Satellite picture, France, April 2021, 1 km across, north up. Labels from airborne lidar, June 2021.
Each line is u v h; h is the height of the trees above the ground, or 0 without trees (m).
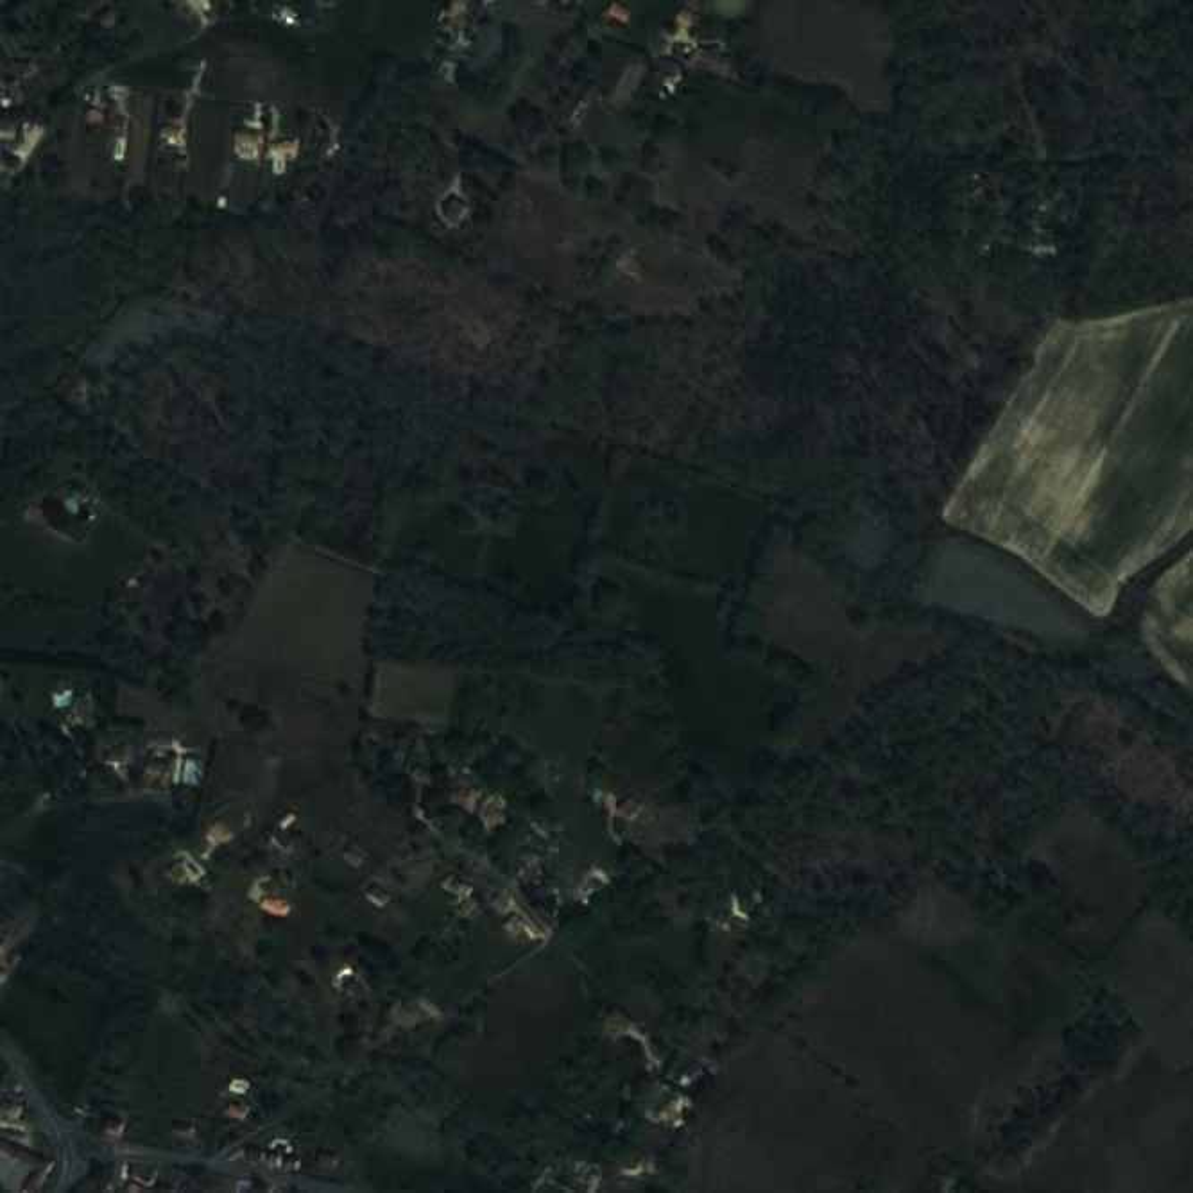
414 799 15
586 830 0
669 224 14
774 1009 23
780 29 0
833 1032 0
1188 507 0
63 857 9
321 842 0
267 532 15
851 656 0
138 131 0
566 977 0
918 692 18
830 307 17
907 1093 0
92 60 18
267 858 11
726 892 11
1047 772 22
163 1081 0
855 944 15
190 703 9
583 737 0
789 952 18
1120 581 0
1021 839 14
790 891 14
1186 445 0
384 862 0
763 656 17
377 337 9
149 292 13
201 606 14
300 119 9
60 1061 0
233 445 10
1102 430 0
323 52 0
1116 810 20
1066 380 0
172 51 0
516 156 14
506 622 18
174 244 15
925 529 9
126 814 0
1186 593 0
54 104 8
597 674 16
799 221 0
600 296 0
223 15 7
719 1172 0
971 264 19
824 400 11
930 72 7
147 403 16
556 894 0
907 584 15
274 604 0
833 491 15
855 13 0
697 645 0
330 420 20
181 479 15
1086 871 0
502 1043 0
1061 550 0
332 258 11
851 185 21
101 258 13
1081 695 14
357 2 0
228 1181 0
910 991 0
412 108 17
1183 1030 0
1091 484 0
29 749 11
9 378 19
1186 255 16
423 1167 0
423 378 20
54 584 0
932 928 0
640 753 0
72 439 16
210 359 21
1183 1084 0
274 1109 21
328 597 0
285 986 16
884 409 18
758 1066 0
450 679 0
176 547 15
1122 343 0
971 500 0
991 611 0
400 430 10
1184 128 14
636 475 0
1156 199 12
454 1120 7
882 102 0
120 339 0
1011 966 0
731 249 13
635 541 0
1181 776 10
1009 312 18
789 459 14
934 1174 10
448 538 0
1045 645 6
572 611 6
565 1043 0
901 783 26
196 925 16
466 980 0
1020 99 11
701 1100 17
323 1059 19
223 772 0
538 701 0
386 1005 6
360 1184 0
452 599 17
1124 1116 0
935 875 9
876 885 11
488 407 21
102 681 11
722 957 0
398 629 9
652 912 21
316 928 0
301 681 0
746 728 0
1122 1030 16
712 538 0
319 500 17
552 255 0
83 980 6
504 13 0
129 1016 8
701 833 0
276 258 15
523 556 0
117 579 0
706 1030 13
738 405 20
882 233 14
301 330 20
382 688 0
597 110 0
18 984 0
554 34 0
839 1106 0
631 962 0
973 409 17
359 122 15
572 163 19
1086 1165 0
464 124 0
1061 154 14
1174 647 0
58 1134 0
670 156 13
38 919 25
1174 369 0
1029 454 0
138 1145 0
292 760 0
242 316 19
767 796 19
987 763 16
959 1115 0
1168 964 0
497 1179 15
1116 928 0
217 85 0
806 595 0
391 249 18
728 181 15
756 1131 0
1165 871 18
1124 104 12
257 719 16
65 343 14
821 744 0
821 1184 0
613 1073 9
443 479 13
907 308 14
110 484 17
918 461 7
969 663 20
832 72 0
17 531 0
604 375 15
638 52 7
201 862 0
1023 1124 15
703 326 17
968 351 11
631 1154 20
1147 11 0
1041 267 16
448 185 11
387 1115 5
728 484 17
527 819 11
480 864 0
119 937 8
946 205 20
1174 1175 0
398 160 14
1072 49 7
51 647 7
